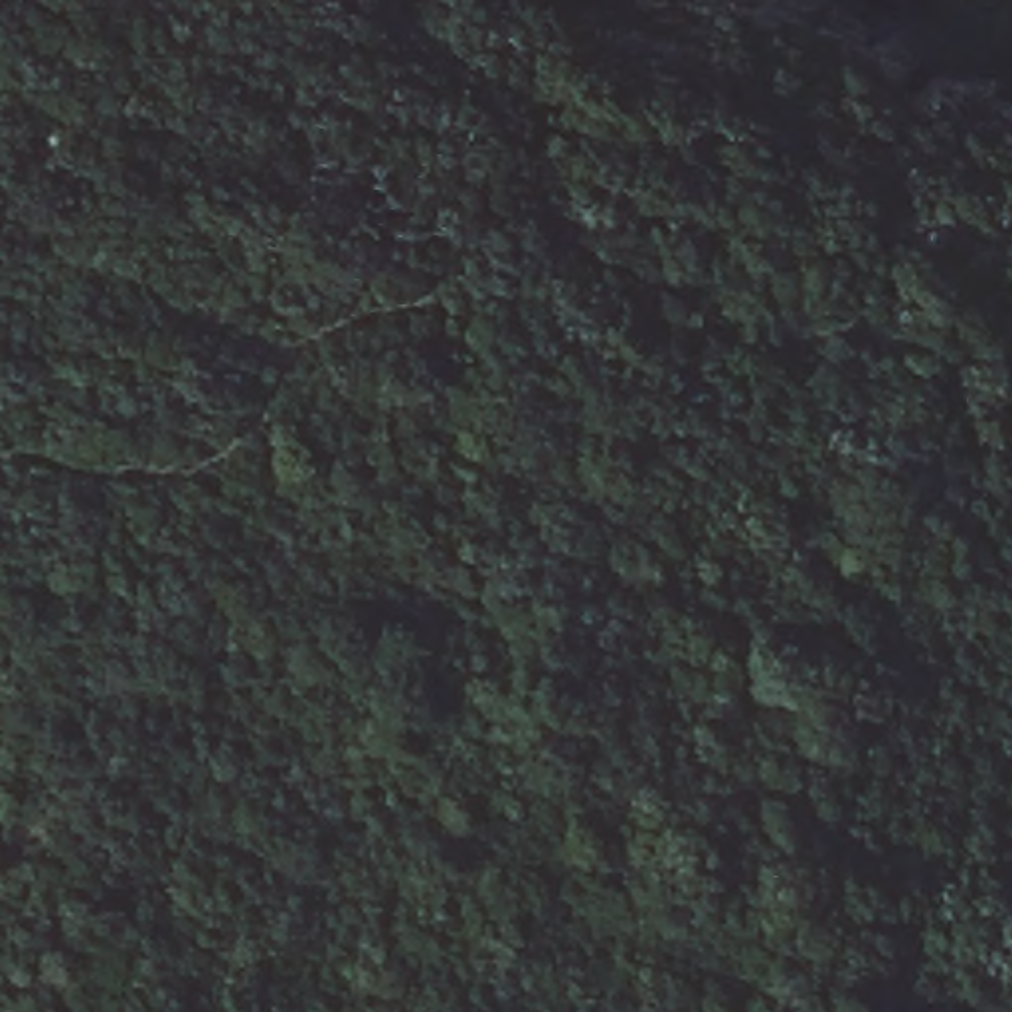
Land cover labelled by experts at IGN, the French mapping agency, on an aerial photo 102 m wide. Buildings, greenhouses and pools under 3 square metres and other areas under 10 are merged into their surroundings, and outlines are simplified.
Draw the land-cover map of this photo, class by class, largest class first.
<instances>
[{"label":"deciduous trees","instance_id":"1","mask_svg":"<svg viewBox=\"0 0 1012 1012\"><path fill-rule=\"evenodd\" d=\"M0 1012H1012V0H0Z\"/></svg>","mask_w":1012,"mask_h":1012}]
</instances>
